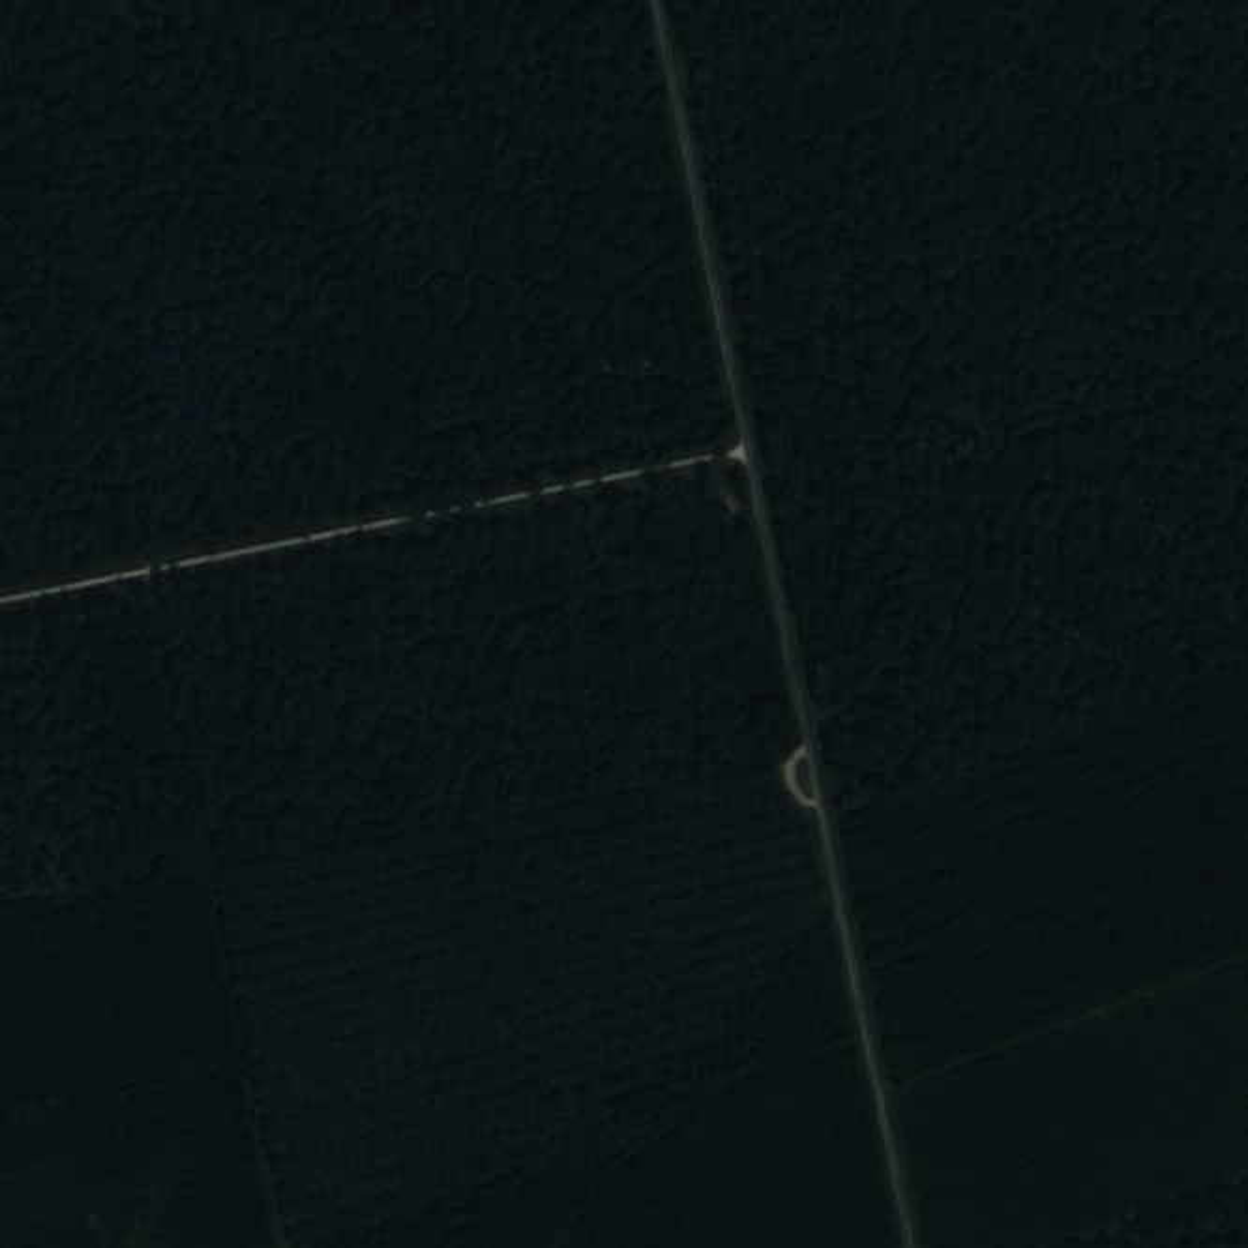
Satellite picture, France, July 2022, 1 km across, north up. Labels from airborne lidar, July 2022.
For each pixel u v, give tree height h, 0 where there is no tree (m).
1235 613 22
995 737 25
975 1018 12
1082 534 27
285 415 25
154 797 26
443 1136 16
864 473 21
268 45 19
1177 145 15
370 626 24
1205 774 13
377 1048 12
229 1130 7
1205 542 23
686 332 23
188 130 27
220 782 23
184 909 8
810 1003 18
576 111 26
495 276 24
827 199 24
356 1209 16
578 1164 10
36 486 17
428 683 18
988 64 24
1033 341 21
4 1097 8
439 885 14
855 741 25
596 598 27
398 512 21
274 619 28
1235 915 13
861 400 15
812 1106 12
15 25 14
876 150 8
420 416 24
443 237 24
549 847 14
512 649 13
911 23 25
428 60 21
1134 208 24
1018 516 31
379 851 15
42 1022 6
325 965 13
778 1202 9
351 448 23
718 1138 10
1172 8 24
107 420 25
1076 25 23
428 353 21
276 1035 14
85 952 8
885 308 24
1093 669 22
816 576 22
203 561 0
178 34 25
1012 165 24
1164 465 10
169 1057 9
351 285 24
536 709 24
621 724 24
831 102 20
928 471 27
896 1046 11
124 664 32
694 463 0
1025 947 9
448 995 16
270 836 22
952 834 9
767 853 10
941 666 24
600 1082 12
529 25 25
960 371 29
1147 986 7
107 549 20
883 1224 12
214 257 25
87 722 19
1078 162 27
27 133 26
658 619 25
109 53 25
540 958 16
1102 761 11
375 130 25
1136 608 24
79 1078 6
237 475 19
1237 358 28
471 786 29
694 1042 12
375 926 14
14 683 28
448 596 19
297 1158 18
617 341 21
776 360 26
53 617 26
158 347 30
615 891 17
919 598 29
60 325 22
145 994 8
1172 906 8
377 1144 17
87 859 30
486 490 24
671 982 10
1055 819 8
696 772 20
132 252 27
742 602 28
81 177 19
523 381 25
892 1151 0
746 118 25
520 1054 15
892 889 9
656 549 24
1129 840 13
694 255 19
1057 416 24
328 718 24
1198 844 13
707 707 25
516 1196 10
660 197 21
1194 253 28
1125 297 28
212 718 24
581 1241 6
